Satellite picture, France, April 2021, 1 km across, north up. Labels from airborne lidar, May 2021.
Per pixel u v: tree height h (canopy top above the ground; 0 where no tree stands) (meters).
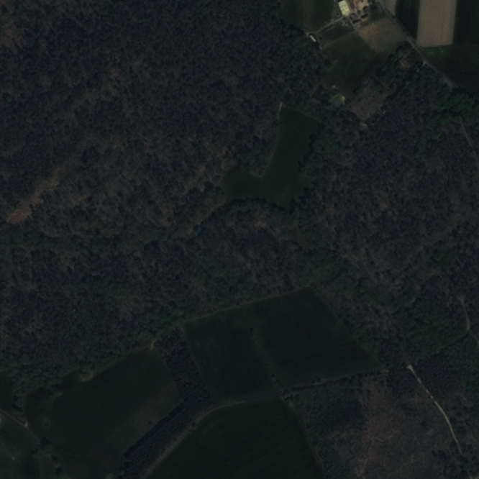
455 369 14
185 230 25
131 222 15
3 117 15
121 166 18
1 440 0
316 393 10
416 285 15
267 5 19
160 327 22
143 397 0
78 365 18
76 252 16
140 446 15
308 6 0
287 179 0
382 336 10
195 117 15
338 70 0
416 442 0
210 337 0
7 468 0
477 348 19
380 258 15
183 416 15
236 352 0
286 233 16
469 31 0
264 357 0
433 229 24
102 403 0
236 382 0
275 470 0
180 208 27
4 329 7
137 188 26
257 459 0
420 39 0
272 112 12
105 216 21
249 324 0
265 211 24
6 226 23
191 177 15
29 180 25
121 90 19
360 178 22
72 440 0
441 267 20
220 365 0
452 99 19
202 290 17
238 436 0
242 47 24
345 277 24
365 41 0
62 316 22
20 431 0
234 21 21
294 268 23
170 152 10
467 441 7
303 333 0
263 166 21
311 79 25
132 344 14
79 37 15
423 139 18
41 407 0
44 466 0
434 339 20
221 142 24
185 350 17
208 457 0
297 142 0
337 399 11
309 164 22
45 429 0
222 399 0
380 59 0
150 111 25
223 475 0
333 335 0
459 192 23
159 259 24
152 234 26
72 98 18
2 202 15
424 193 23
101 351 20
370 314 22
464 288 21
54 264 19
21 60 16
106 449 0
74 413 0
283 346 0
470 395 18
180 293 22
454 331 20
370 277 14
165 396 0
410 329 16
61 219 12
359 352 0
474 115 10
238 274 17
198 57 21
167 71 17
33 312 11
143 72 15
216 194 25
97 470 0
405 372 20
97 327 22
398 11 0
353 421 12
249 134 24
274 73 16
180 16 26
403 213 22
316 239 20
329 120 18
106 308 26
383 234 24
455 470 21
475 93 0
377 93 15
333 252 30
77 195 14
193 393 16
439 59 0
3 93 13
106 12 21
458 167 24
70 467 0
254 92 23
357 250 21
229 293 16
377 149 18
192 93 24
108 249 16
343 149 17
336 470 16
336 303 9
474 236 16
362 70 0
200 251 24
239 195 0
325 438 14
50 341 20
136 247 24
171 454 0
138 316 14
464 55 0
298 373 0
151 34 22
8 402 0
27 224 15
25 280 21
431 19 0
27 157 19
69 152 20
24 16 15
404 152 22
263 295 14
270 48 24
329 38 0
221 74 9
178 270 29
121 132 28
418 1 0
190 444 0
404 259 22
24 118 23
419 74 10
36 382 18
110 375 0
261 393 0
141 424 0
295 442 0
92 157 20
